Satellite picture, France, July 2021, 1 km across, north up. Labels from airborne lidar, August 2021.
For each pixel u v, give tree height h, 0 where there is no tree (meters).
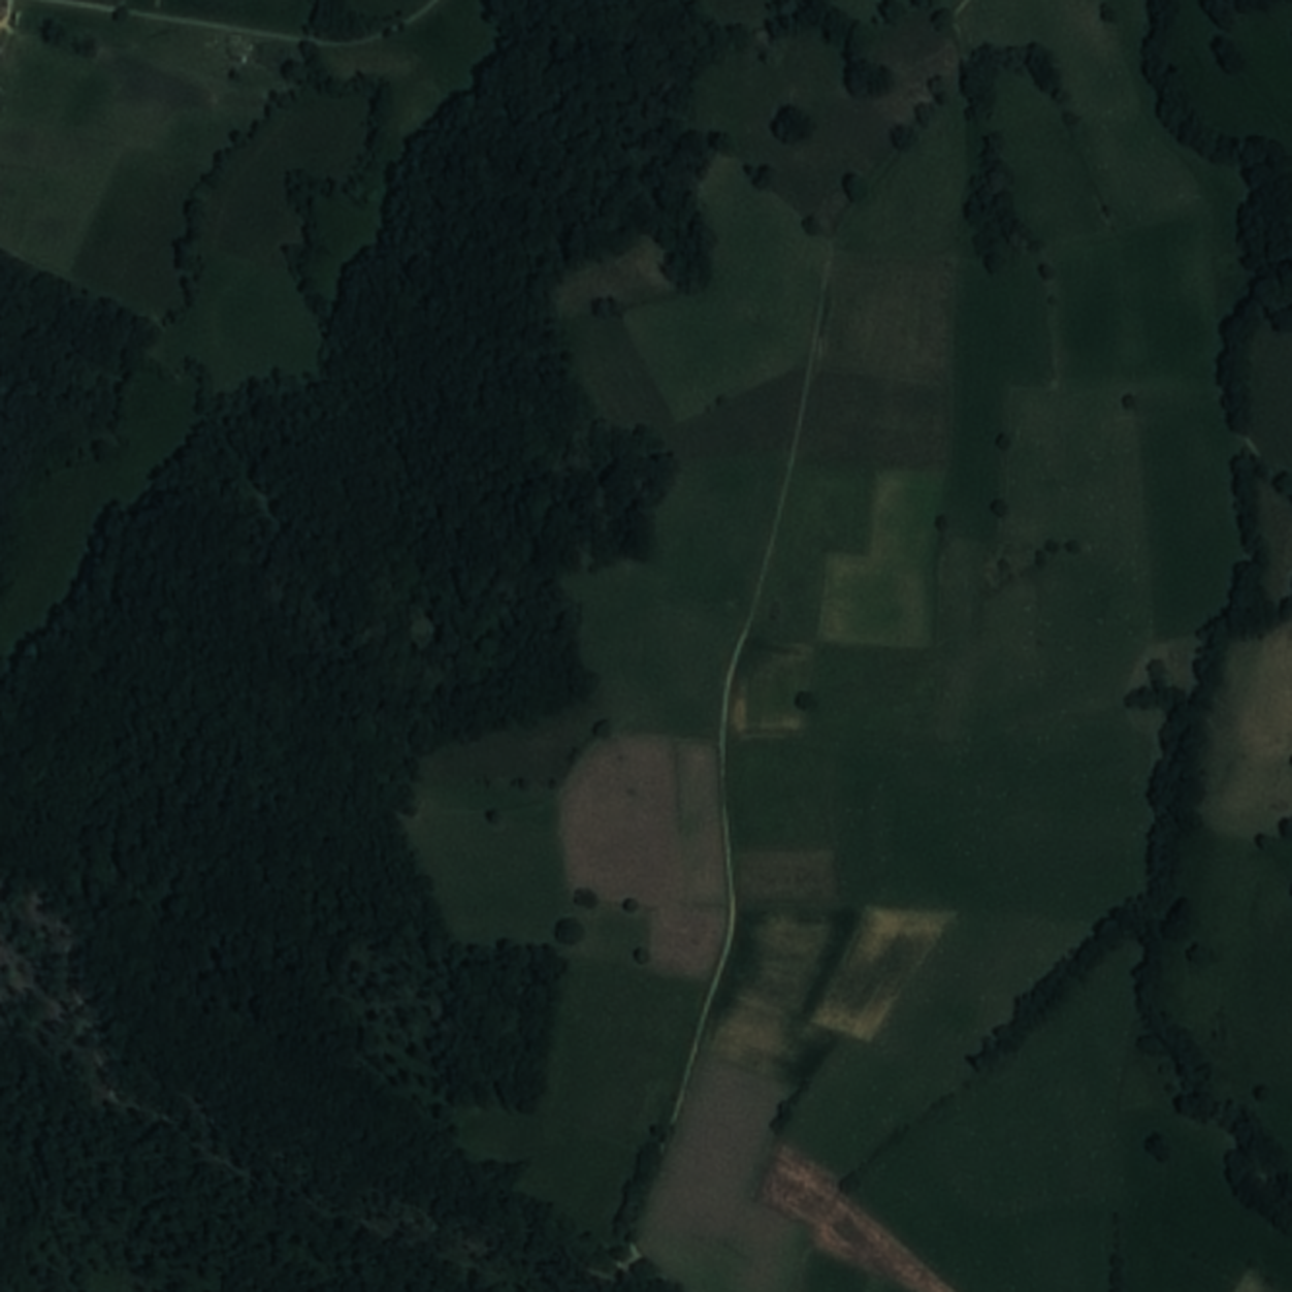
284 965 24
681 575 0
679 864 0
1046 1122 0
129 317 26
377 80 6
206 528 26
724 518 0
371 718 20
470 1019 28
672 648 0
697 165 11
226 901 33
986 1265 0
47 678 29
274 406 27
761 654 0
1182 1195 0
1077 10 0
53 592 0
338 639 24
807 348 0
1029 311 0
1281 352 0
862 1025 0
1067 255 0
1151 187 0
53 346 24
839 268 0
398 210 17
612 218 24
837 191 0
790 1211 0
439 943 23
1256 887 0
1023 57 10
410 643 26
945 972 0
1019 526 0
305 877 24
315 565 32
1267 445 0
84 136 0
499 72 28
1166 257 0
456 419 28
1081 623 0
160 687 12
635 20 15
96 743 13
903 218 0
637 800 0
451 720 20
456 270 22
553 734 0
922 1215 0
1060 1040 0
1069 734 0
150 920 32
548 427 27
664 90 19
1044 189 0
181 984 26
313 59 13
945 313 0
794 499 0
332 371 22
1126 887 0
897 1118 0
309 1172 28
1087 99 0
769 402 0
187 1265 24
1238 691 0
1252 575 24
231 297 0
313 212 13
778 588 0
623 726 0
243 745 22
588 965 0
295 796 26
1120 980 0
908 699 0
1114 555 0
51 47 22
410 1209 23
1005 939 0
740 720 0
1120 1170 0
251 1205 16
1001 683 0
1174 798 25
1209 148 28
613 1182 0
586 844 0
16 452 25
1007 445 12
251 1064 19
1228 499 0
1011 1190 0
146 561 30
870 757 0
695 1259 0
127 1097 25
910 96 0
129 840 27
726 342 0
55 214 0
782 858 0
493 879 0
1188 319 0
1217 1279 0
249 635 20
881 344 0
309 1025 26
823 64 0
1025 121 0
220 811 23
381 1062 22
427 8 0
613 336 0
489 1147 0
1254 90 0
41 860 15
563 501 21
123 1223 24
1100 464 0
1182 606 0
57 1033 23
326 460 23
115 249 0
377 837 16
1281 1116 0
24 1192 18
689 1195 0
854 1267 0
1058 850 0
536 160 29
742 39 19
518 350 17
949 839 0
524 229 22
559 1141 0
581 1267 15
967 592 0
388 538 19
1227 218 0
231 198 0
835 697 0
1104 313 0
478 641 23
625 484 27
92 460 8
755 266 0
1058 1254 0
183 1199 30
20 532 8
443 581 22
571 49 24
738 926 0
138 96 0
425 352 27
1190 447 0
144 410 0
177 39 0
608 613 0
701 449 0
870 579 0
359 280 23
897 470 0
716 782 0
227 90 0
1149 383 0
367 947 11
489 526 21
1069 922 0
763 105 0
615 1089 0
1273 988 0
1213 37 0
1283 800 0
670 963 0
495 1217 20
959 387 0
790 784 0
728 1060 0
